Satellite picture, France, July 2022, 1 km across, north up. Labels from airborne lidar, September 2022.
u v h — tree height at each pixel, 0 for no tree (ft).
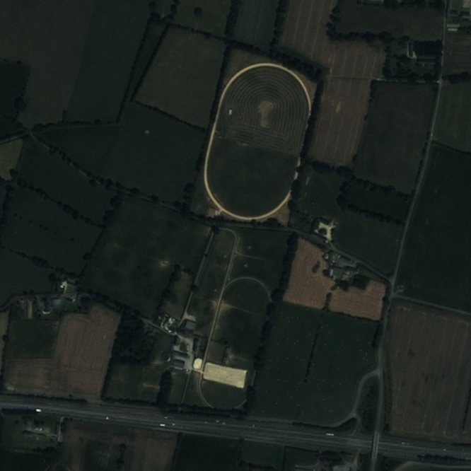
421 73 0
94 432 0
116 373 0
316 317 0
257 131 0
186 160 0
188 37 0
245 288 0
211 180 0
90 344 0
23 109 46
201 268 0
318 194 0
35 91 0
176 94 0
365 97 0
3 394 21
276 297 45
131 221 0
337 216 0
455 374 0
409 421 0
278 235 0
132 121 0
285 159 0
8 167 0
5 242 0
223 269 0
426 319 0
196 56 0
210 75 0
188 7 0
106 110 0
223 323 0
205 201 0
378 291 0
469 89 0
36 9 0
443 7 44
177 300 0
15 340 0
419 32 0
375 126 0
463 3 0
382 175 0
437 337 0
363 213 30
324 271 24
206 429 0
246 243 0
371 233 0
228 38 38
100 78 0
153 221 0
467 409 23
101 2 0
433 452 0
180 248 0
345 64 0
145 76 31
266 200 0
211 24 0
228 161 0
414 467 0
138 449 0
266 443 0
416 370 0
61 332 0
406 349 0
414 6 35
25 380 0
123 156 0
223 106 0
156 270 0
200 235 0
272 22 0
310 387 0
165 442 0
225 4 0
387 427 28
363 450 0
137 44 0
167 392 63
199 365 0
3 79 0
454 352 0
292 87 0
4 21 0
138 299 0
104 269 0
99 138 0
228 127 0
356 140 0
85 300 48
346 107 0
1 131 0
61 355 0
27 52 0
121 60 0
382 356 0
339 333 0
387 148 0
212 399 0
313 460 0
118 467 42
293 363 0
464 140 0
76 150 0
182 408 38
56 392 0
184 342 0
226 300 0
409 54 0
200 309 0
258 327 0
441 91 0
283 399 0
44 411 0
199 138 0
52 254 0
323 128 0
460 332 0
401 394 0
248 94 0
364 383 0
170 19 47
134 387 0
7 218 25
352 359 0
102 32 0
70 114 0
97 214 0
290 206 46
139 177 0
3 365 19
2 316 0
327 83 0
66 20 0
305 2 0
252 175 0
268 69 0
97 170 0
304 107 0
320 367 0
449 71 0
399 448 0
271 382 0
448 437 0
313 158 0
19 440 0
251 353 0
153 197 38
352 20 0
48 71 0
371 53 0
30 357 0
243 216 0
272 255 0
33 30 0
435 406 0
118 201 52
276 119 0
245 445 39
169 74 0
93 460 0
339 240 0
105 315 0
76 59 0
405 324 0
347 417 0
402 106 0
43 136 0
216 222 76
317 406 0
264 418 0
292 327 0
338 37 40
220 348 0
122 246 0
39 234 0
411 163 0
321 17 0
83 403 35
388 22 0
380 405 0
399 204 0
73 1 0
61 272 41
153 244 0
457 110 0
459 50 0
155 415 0
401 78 22
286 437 0
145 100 0
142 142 0
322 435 0
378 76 0
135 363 45
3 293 0
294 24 0
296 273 0
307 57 0
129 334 35
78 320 0
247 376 0
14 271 0
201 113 0
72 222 0
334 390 0
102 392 29
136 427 0
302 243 0
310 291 0
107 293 0
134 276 0
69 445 0
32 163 0
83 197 0
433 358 0
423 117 0
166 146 0
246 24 0
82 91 0
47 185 0
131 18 0
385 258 0
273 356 0
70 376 0
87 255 43
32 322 0
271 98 0
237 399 0
